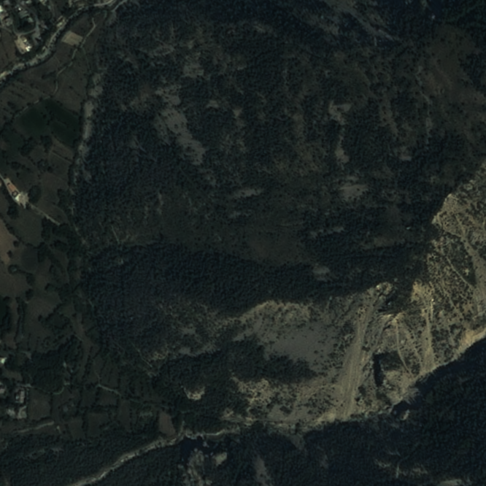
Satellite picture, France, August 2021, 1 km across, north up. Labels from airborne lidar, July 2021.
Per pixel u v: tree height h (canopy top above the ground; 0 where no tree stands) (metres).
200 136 7
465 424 11
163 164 14
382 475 8
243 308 7
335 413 0
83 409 8
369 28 0
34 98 0
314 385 0
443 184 0
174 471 8
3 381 10
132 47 6
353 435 8
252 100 6
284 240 0
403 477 6
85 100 5
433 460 8
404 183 8
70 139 0
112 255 13
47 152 7
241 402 6
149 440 7
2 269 0
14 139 0
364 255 6
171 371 14
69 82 0
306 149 0
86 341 0
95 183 13
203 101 7
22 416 0
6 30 0
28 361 8
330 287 7
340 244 12
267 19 7
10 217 12
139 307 8
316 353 6
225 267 11
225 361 14
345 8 0
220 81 8
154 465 9
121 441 6
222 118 8
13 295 0
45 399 0
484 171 7
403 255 9
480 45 9
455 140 10
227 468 9
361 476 7
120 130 11
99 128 7
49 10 7
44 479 9
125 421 0
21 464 8
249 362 8
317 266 0
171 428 0
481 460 10
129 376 6
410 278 5
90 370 6
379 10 6
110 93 9
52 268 8
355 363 0
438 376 0
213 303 8
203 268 8
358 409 0
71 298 6
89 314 7
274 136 8
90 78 8
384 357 6
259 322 0
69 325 6
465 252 7
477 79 8
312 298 8
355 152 8
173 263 9
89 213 7
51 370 13
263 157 8
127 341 15
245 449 10
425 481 6
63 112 0
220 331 6
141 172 7
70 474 7
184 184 8
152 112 7
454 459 9
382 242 0
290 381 10
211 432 7
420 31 7
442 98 0
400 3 7
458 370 13
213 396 11
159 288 7
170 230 0
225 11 7
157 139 17
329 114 8
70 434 6
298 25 8
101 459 8
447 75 0
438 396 17
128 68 12
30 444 9
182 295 8
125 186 13
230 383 7
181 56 6
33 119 0
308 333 0
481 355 10
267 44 5
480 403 11
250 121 6
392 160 6
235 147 7
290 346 0
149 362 7
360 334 0
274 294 8
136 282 9
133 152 12
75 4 6
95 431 0
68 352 13
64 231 7
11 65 9
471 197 8
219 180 7
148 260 7
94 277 12
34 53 9
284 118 10
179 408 15
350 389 0
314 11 6
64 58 0
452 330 8
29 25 16
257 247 0
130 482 10
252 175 7
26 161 0
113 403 0
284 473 9
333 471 7
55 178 0
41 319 11
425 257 6
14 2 10
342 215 9
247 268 11
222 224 7
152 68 6
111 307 12
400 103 7
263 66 7
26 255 0
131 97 7
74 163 6
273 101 8
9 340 0
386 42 0
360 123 6
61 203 6
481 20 11
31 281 7
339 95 7
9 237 0
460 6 20
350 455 7
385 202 7
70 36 0
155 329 11
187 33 8
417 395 0
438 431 13
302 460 11
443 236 6
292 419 0
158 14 7
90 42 0
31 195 8
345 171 6
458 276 6
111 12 7
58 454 6
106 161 9
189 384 9
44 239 9
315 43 6
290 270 9
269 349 0
